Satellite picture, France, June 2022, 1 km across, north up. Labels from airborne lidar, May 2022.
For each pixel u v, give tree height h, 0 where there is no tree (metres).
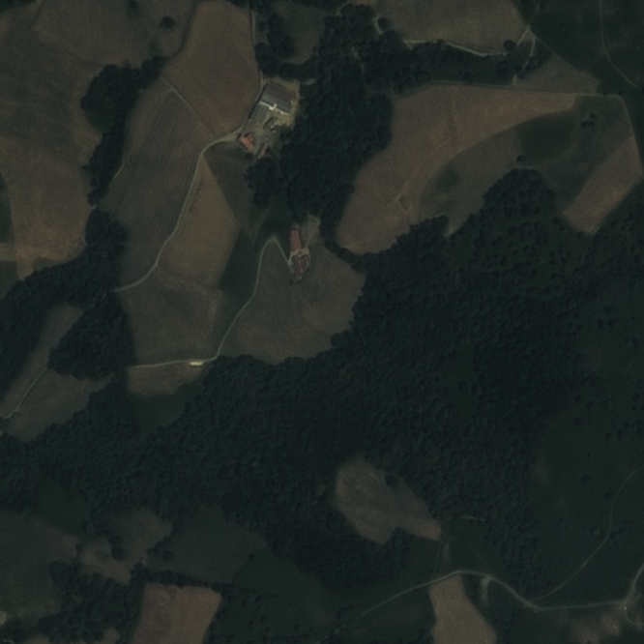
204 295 0
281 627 0
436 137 0
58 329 0
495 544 16
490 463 14
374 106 19
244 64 0
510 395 17
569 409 15
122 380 22
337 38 15
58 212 0
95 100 14
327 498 16
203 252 0
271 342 0
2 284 0
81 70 0
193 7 0
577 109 0
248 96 0
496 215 16
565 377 26
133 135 0
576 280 6
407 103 0
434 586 0
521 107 0
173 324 0
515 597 0
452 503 10
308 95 13
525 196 16
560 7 0
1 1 0
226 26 0
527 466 9
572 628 0
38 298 21
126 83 8
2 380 21
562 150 0
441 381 12
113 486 24
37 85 0
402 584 0
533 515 11
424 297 15
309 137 26
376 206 0
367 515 0
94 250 27
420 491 11
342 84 22
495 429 14
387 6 0
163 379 0
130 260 0
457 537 0
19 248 0
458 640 0
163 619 0
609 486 0
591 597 0
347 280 0
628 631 0
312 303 0
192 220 0
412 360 14
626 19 0
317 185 24
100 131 0
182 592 0
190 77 0
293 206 20
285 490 15
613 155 0
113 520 6
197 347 0
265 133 0
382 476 0
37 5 0
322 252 0
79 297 21
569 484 0
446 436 19
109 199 0
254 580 0
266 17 14
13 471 30
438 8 0
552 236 11
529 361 27
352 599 0
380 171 0
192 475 27
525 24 0
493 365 20
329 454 12
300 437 10
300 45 0
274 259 0
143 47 0
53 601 0
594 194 0
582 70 0
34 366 0
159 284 0
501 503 19
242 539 0
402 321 21
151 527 0
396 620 0
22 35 0
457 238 15
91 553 0
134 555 0
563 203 0
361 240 0
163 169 0
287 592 0
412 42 0
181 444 21
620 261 14
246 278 0
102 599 14
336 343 22
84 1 0
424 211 0
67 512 0
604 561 0
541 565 7
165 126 0
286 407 20
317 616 0
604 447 0
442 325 11
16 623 6
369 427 18
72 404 0
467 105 0
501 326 6
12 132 0
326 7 18
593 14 0
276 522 16
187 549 0
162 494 27
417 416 17
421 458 23
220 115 0
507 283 13
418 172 0
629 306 0
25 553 0
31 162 0
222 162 0
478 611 0
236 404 20
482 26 0
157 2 0
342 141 21
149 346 0
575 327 6
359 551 19
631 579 0
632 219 12
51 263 0
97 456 21
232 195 0
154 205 0
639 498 0
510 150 0
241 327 0
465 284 13
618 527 0
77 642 11
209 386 21
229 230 0
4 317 21
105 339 20
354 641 0
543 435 12
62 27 0
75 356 22
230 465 24
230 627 0
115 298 18
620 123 0
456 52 11
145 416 0
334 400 19
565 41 0
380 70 14
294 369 29
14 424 0
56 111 0
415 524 0
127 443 25
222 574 0
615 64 0
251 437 19
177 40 0
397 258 19
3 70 0
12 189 0
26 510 23
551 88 0
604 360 0
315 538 25
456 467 18
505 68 8
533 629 0
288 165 32
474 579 6
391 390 21
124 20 0
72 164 0
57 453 21
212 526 0
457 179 0
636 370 0
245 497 19
